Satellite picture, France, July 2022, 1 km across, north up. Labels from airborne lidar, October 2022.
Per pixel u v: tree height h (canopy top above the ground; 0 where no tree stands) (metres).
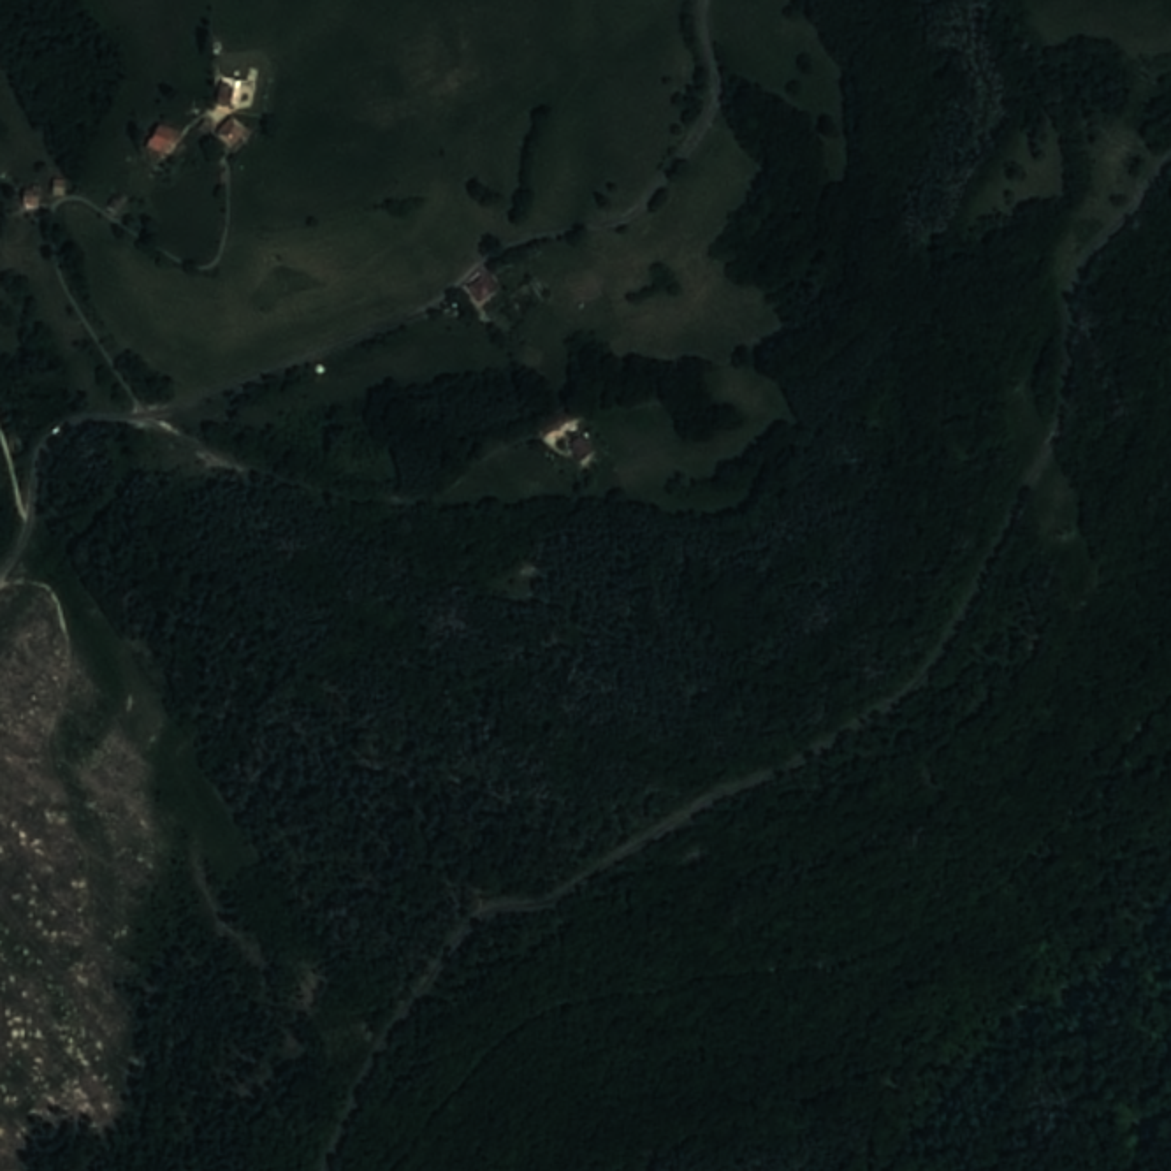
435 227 0
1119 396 21
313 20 0
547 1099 21
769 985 18
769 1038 23
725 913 23
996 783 24
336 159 0
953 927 19
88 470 25
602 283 0
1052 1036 26
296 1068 15
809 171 29
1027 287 24
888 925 16
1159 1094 22
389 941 16
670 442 0
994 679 21
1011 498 12
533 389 27
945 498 18
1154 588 27
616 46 0
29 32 30
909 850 24
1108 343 19
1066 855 30
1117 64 8
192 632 29
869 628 19
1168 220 13
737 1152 27
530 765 16
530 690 19
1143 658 20
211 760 14
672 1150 20
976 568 13
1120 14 0
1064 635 24
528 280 6
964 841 17
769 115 27
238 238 0
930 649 11
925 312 24
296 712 19
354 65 0
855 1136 25
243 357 0
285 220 0
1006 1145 18
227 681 12
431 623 17
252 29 0
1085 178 15
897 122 27
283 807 29
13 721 0
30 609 0
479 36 0
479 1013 22
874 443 18
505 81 0
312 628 17
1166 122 25
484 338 0
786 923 20
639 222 0
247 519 18
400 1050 10
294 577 11
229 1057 12
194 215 0
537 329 0
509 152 0
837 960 12
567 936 23
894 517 22
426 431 21
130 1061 0
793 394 19
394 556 16
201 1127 12
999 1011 28
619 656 19
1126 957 27
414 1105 22
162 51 0
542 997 17
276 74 0
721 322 0
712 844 17
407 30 0
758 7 0
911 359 24
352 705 11
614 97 0
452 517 15
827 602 17
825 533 22
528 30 0
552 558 19
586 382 23
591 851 16
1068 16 0
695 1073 18
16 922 0
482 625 21
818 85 0
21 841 0
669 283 6
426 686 14
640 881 20
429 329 0
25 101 19
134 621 22
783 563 16
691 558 20
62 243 14
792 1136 29
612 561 22
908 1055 26
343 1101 17
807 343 27
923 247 7
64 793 0
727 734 20
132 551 13
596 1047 20
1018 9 8
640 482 0
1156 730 31
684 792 6
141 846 0
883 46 28
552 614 19
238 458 9
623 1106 26
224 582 22
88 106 25
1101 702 21
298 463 20
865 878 21
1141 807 32
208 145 14
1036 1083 22
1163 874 27
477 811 17
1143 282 11
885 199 25
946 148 23
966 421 23
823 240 19
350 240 0
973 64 22
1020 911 19
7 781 0
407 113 0
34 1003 0
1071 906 31
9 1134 0
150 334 0
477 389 16
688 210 0
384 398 19
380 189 0
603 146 0
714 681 20
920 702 13
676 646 20
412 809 12
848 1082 28
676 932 24
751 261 10
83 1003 0
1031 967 30
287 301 0
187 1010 21
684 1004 14
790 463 25
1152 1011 33
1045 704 16
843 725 11
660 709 17
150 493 20
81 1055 0
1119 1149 30
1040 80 19
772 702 14
